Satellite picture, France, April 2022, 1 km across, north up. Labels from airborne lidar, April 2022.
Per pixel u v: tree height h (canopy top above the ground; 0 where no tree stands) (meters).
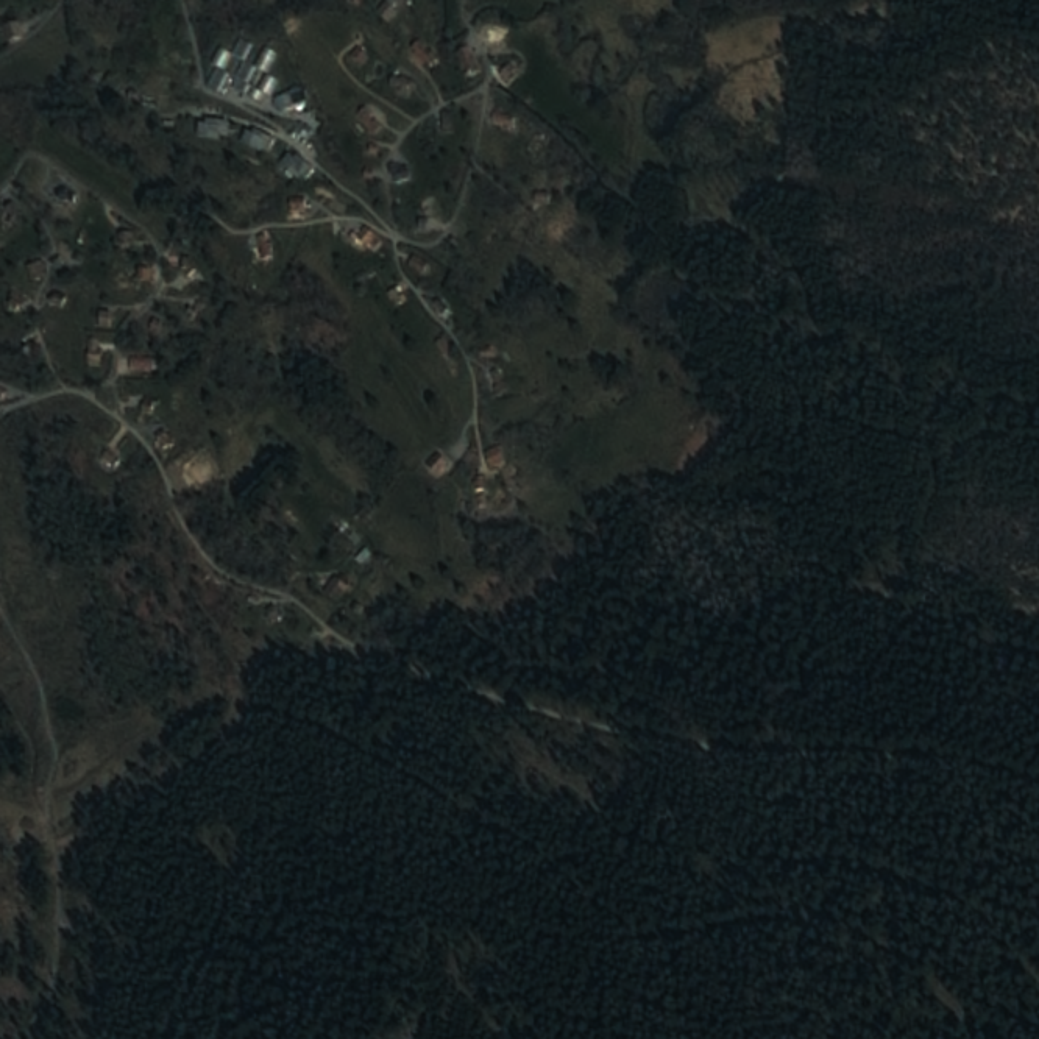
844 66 33
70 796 0
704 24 11
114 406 0
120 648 18
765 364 28
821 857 31
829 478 30
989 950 33
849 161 27
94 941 25
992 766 27
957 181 12
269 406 0
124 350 15
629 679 34
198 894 27
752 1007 28
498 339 0
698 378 27
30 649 0
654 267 30
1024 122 12
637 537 30
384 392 0
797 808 11
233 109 0
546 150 0
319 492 0
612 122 18
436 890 30
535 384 0
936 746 35
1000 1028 39
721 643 33
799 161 28
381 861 30
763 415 28
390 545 0
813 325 23
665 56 13
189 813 27
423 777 30
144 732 0
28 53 0
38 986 26
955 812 27
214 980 32
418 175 0
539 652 15
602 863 40
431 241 0
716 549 31
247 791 29
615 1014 28
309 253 0
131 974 30
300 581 0
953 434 31
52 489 21
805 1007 27
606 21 0
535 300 22
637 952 28
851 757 30
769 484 25
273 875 28
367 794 30
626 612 42
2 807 0
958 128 10
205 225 25
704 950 31
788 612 36
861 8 0
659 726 31
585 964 34
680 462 0
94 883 30
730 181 0
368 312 0
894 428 34
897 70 27
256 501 28
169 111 0
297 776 30
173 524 0
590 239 17
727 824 27
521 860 29
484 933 34
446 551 0
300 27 0
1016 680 31
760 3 10
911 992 28
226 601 6
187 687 16
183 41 0
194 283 0
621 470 0
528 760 24
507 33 0
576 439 0
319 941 31
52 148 0
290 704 29
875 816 28
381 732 33
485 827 20
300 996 29
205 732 26
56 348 0
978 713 37
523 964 31
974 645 31
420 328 0
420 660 34
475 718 32
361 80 0
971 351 23
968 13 31
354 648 0
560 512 0
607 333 0
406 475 0
